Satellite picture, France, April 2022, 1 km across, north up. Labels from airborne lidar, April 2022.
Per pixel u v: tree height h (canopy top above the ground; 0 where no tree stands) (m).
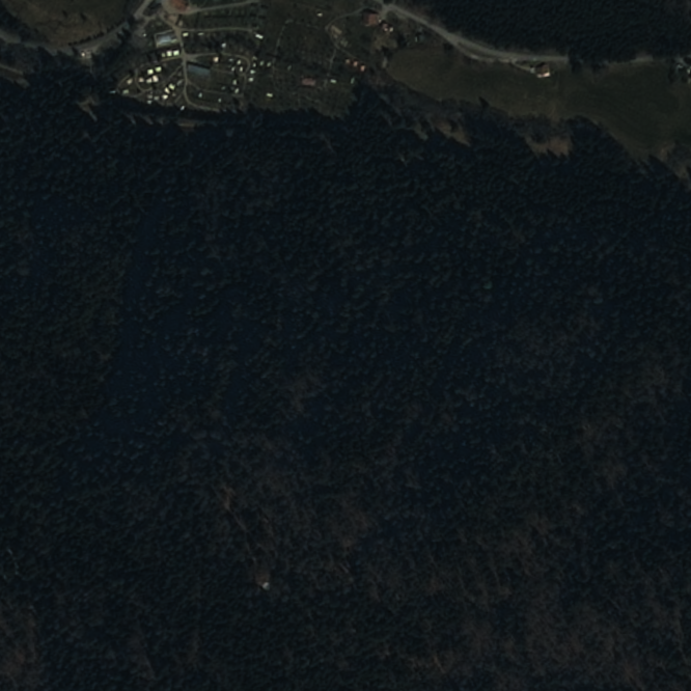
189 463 27
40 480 36
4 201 37
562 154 0
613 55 28
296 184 26
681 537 21
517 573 12
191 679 12
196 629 34
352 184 36
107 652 26
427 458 17
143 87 0
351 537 21
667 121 0
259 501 12
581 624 20
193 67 0
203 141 28
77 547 6
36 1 0
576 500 26
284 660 17
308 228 34
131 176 33
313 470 24
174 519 29
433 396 32
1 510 36
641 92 0
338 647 11
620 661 29
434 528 13
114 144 43
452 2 26
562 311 34
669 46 32
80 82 33
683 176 0
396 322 28
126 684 27
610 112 0
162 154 25
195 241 33
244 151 30
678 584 36
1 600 34
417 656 18
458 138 0
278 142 34
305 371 14
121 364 7
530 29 27
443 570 18
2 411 26
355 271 16
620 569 20
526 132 16
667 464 20
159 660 6
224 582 22
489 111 12
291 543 12
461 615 31
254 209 29
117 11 0
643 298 19
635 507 37
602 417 31
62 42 0
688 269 30
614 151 34
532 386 27
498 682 13
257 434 22
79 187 30
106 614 17
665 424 23
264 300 28
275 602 13
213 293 21
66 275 29
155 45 0
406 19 0
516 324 40
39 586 21
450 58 0
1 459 8
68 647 28
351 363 18
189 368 32
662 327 39
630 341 37
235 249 31
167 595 23
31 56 18
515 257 35
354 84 0
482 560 25
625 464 29
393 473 26
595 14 27
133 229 18
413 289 34
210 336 25
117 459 17
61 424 15
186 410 24
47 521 28
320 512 21
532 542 29
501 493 22
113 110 34
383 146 30
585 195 31
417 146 35
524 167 30
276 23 0
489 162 33
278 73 0
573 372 29
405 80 0
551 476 24
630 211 26
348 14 0
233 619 24
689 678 16
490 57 0
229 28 0
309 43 0
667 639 17
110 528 24
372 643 29
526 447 9
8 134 35
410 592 31
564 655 27
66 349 23
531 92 0
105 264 21
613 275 33
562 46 28
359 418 25
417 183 27
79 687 24
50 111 17
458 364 22
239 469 29
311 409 23
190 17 0
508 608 24
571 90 0
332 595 20
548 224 12
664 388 35
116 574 11
